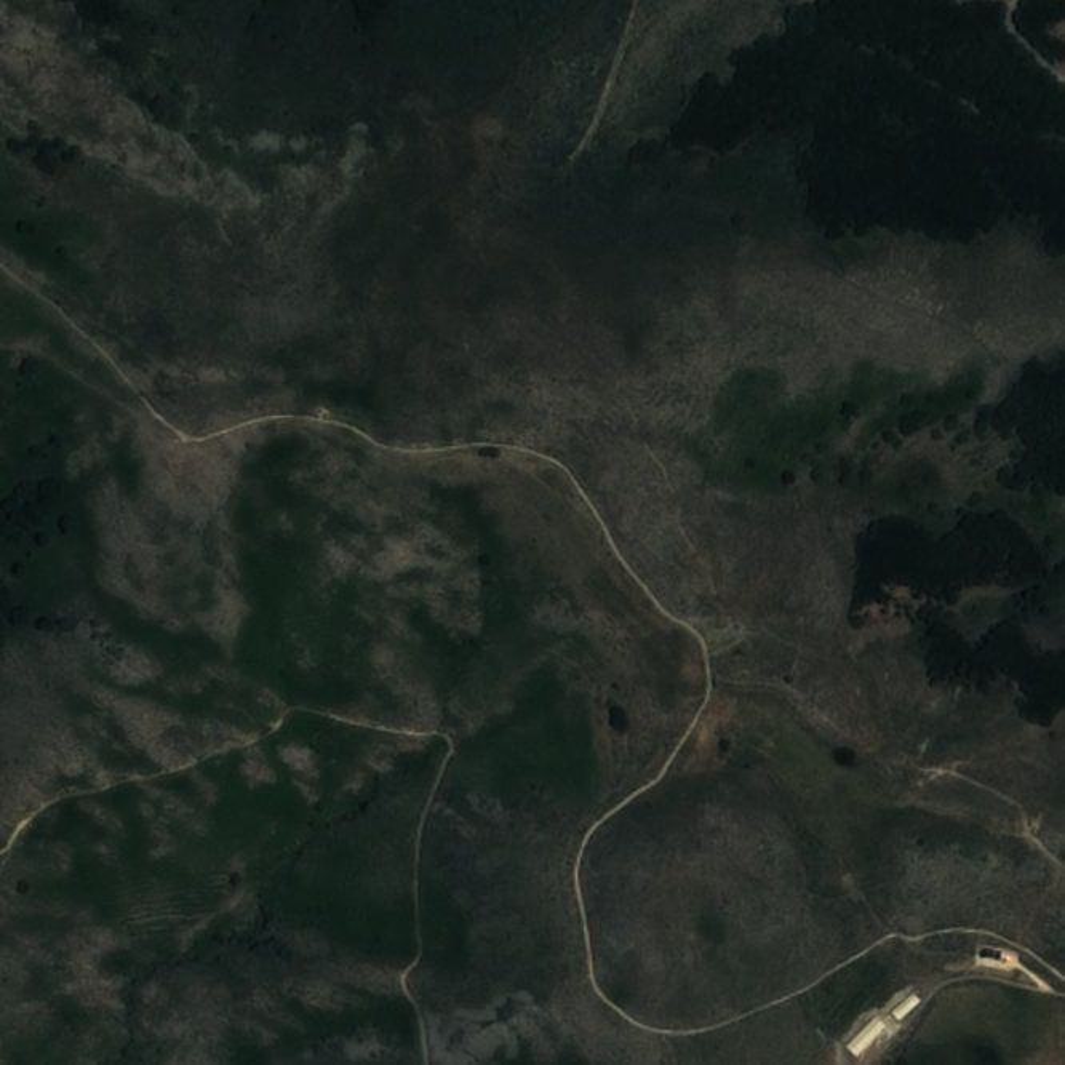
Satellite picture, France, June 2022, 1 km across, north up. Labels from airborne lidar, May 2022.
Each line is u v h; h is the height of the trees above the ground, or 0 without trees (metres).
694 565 0
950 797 0
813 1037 0
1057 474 20
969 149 15
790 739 0
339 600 0
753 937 0
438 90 0
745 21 0
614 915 0
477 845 0
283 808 0
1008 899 0
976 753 0
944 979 0
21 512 23
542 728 0
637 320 0
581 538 0
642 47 0
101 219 0
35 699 0
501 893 0
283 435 0
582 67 0
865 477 8
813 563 0
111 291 0
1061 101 15
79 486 0
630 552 0
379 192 0
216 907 0
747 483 0
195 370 0
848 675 0
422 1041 0
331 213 0
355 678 0
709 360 0
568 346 0
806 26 18
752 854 0
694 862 0
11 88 0
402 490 0
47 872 0
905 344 0
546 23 0
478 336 0
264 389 0
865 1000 0
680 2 0
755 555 0
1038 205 9
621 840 0
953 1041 0
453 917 0
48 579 0
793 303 0
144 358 0
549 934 0
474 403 0
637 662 0
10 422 0
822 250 0
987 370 0
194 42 0
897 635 0
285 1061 0
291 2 0
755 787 0
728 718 0
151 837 0
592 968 0
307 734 0
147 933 0
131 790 0
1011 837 0
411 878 0
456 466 0
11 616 15
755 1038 0
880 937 0
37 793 0
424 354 0
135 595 0
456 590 0
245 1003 0
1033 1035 0
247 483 0
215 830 0
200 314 0
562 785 0
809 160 12
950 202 12
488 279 0
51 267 0
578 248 0
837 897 0
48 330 0
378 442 0
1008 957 0
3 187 0
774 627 0
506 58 0
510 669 0
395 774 0
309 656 0
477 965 0
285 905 0
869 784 0
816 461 6
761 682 0
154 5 0
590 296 0
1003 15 19
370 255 0
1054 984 0
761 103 15
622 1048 0
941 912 0
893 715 0
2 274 0
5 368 0
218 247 0
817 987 0
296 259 0
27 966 0
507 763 0
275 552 0
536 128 0
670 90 0
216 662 0
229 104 0
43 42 0
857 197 11
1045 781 0
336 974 0
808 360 0
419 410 0
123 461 0
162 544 0
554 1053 0
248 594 0
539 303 0
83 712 0
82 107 0
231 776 0
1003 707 0
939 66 16
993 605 0
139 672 0
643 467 0
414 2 0
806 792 0
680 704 0
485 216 0
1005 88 12
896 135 9
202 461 0
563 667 0
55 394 0
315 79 0
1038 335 0
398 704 0
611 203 0
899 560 19
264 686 0
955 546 15
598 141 0
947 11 17
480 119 0
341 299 0
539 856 0
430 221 0
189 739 0
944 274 0
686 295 0
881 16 19
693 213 0
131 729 0
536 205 0
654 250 0
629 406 0
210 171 0
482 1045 0
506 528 0
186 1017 0
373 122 0
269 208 0
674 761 0
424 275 0
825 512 0
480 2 0
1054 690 15
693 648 0
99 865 0
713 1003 0
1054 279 0
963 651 17
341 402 0
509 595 0
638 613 0
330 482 0
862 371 0
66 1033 0
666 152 0
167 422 0
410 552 0
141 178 0
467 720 0
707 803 0
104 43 7
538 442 0
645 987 0
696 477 0
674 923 0
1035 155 18
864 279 0
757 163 0
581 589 0
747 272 0
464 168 0
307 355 0
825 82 15
